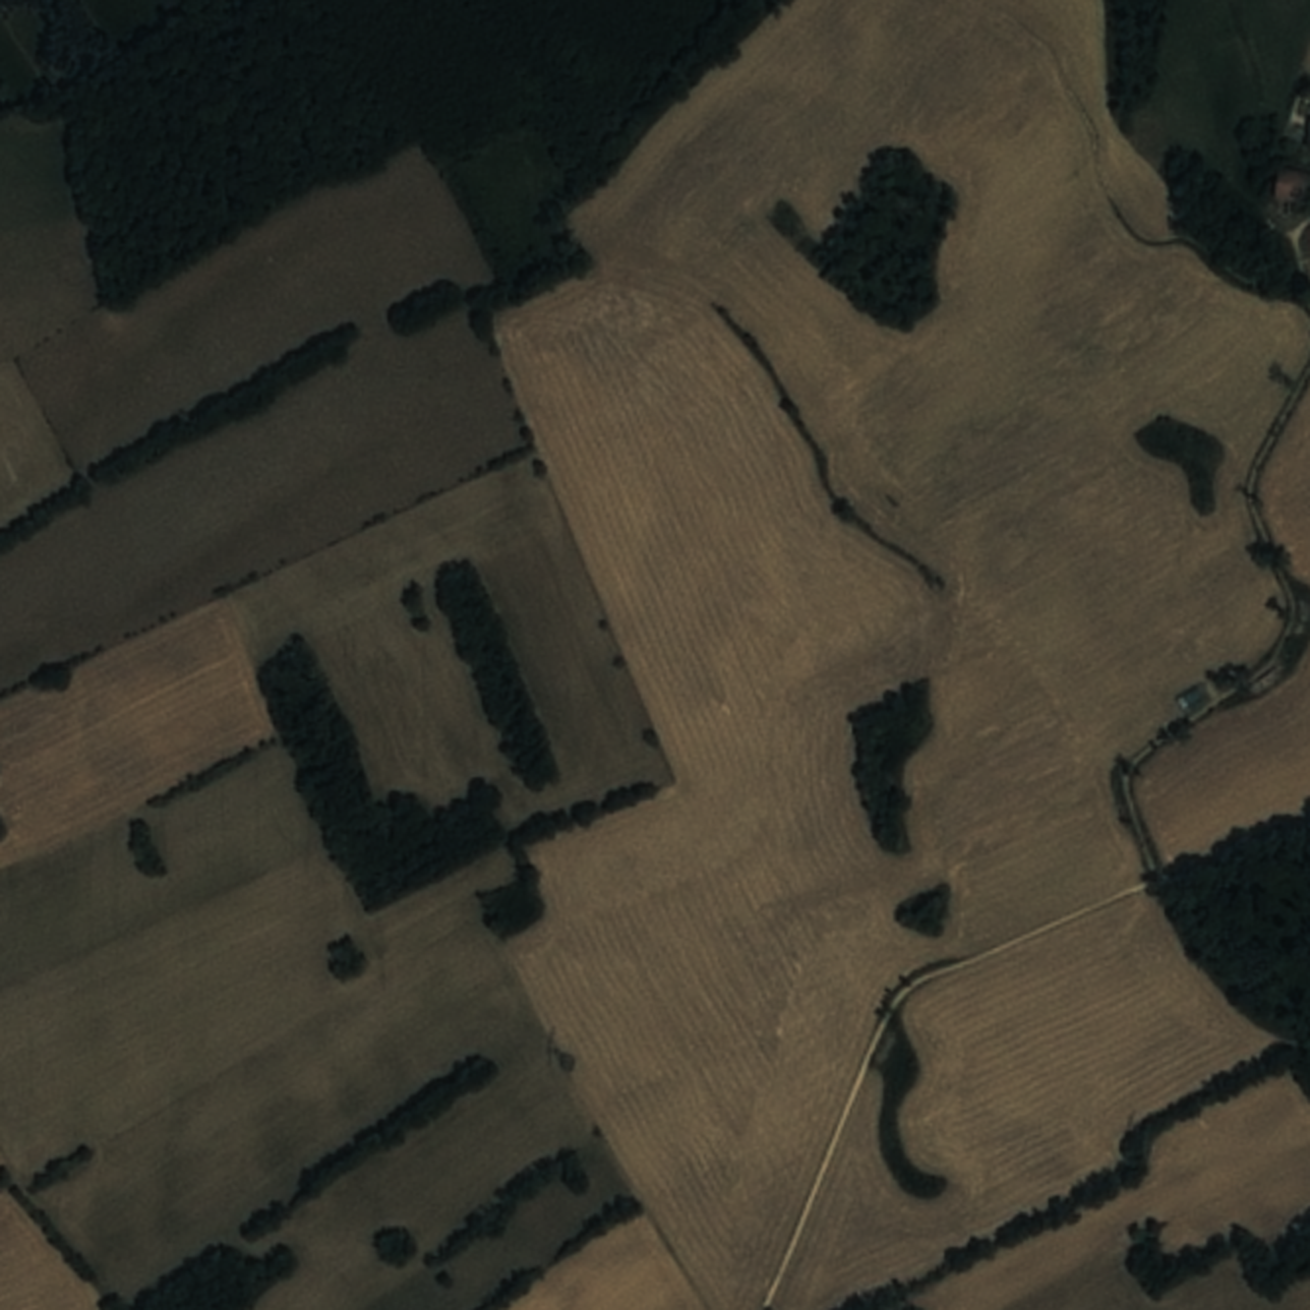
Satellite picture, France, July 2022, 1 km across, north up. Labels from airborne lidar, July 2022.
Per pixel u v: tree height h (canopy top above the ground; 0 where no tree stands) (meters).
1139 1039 0
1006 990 0
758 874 0
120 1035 0
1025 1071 0
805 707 0
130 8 0
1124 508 0
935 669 0
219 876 0
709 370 0
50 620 0
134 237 27
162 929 0
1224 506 0
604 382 0
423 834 18
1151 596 0
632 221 0
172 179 22
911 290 15
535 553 0
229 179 24
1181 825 0
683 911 0
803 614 0
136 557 0
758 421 0
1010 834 0
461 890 0
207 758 0
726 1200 0
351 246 0
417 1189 0
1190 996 0
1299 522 0
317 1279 0
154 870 12
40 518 13
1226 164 0
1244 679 23
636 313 0
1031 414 0
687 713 0
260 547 0
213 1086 0
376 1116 0
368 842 20
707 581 0
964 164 0
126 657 0
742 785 0
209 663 0
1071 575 0
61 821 0
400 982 0
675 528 0
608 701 0
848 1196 0
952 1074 0
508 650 17
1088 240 0
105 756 0
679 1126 0
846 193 0
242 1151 0
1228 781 0
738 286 0
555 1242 0
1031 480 0
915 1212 0
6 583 0
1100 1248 0
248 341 0
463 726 0
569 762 0
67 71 23
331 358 14
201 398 0
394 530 0
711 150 0
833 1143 0
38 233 0
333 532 0
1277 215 0
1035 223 0
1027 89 0
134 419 0
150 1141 0
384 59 16
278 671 18
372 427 0
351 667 0
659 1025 0
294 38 24
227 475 0
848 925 0
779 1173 0
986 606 0
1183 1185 0
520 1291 18
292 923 0
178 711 0
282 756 0
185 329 0
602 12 15
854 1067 0
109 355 0
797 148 0
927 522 0
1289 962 25
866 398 0
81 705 0
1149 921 0
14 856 0
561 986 0
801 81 0
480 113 15
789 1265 0
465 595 16
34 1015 0
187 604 0
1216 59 0
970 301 0
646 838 0
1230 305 0
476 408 0
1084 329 0
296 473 0
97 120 20
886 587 0
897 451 0
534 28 18
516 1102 0
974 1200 0
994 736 0
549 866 0
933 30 0
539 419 0
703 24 10
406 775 0
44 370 0
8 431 0
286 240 0
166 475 0
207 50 22
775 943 0
